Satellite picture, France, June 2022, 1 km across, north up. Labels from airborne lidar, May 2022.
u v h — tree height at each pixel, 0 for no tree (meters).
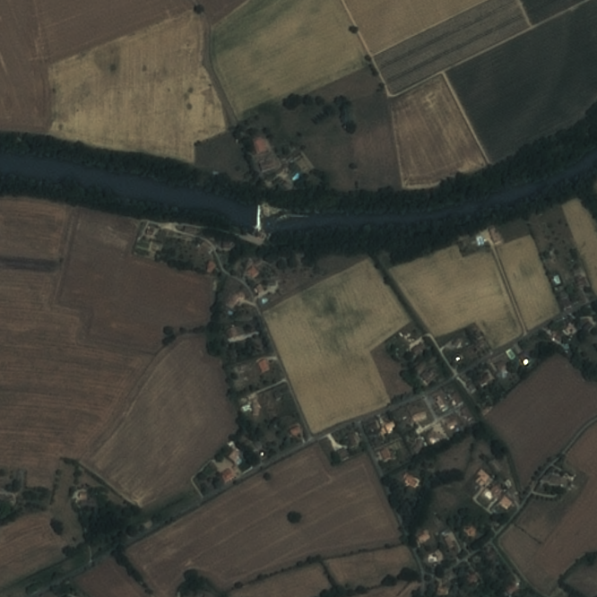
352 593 13
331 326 0
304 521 0
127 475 0
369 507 0
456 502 0
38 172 0
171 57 0
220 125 0
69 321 0
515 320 0
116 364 0
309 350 0
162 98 0
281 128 0
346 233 12
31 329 0
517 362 0
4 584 0
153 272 0
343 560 0
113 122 0
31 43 0
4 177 10
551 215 0
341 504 0
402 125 0
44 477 0
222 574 0
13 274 0
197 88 0
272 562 0
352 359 0
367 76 0
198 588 8
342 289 0
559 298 6
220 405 0
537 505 0
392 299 0
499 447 25
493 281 0
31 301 0
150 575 0
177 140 0
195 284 0
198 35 0
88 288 0
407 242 21
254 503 0
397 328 0
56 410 0
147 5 0
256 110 0
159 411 0
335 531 0
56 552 0
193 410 0
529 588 7
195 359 0
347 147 0
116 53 0
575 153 16
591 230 0
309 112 0
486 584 8
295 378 0
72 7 0
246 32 0
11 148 9
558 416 0
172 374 0
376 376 0
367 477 0
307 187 18
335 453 8
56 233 0
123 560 15
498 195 0
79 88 0
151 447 0
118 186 0
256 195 17
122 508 8
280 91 0
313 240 22
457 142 0
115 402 0
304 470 0
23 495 7
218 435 0
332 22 0
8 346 0
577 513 0
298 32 0
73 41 0
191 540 0
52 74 0
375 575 0
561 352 7
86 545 9
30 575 0
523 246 0
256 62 0
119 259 0
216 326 21
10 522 7
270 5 0
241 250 15
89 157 17
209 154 0
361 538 0
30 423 0
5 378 0
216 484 19
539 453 0
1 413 0
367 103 0
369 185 0
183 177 14
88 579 0
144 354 0
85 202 15
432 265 0
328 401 0
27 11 0
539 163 7
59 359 0
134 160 17
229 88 0
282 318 0
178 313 0
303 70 0
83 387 0
